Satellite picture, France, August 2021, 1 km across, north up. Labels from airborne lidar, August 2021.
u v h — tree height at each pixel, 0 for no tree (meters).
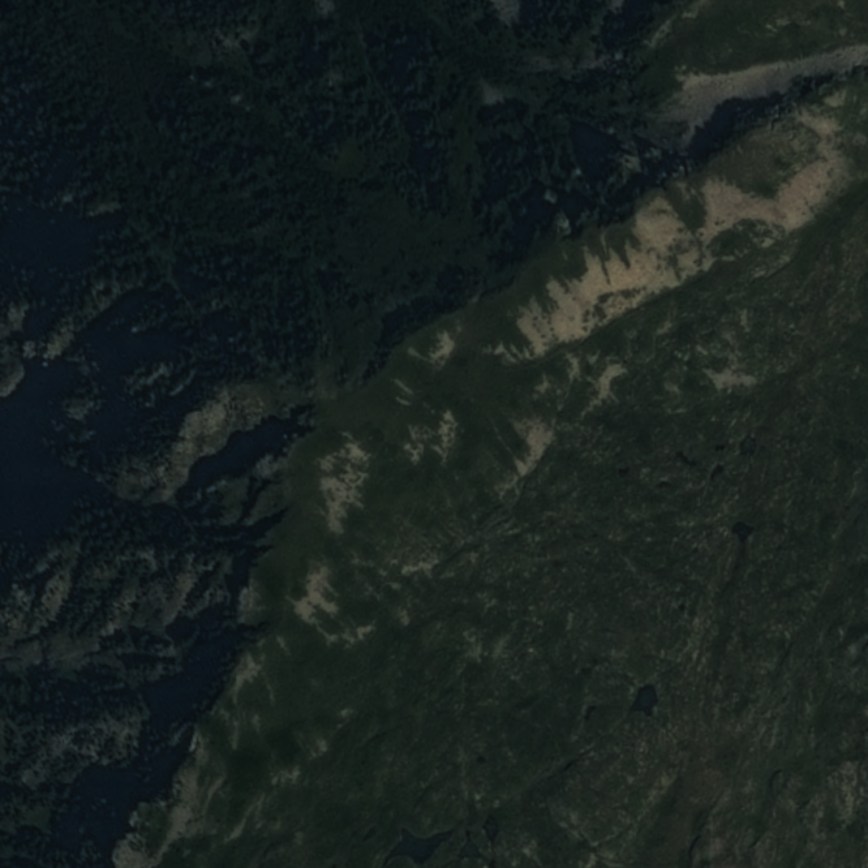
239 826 0
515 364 0
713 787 0
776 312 0
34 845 14
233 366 11
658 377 0
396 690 0
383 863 0
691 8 0
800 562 0
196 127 11
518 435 0
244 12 10
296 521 0
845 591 0
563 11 13
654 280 0
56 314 12
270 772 0
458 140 12
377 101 6
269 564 0
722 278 0
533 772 0
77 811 13
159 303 14
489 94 0
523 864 0
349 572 0
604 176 6
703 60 0
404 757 0
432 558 0
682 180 0
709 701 0
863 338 0
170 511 7
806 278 0
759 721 0
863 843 0
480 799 0
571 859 0
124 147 19
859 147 0
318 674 0
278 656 0
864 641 0
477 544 0
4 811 8
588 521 0
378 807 0
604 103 0
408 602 0
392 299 0
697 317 0
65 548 16
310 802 0
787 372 0
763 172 0
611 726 0
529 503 0
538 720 0
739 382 0
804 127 0
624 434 0
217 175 10
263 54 9
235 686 0
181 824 0
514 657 0
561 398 0
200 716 10
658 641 0
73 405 14
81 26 8
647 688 0
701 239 0
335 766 0
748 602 0
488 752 0
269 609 0
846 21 0
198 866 0
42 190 11
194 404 8
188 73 6
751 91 0
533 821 0
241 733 0
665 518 0
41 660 0
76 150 8
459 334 0
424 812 0
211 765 0
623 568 0
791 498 0
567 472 0
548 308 0
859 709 0
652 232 0
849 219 0
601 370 0
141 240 15
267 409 0
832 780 0
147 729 15
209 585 9
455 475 0
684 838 0
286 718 0
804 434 0
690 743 0
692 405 0
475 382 0
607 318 0
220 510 7
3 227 11
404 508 0
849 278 0
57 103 6
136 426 12
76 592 12
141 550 8
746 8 0
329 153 11
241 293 8
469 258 0
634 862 0
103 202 9
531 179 11
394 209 0
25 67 13
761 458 0
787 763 0
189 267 8
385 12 6
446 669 0
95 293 10
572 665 0
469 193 0
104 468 15
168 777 8
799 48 0
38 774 9
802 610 0
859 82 0
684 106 0
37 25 13
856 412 0
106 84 8
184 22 11
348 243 0
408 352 0
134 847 7
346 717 0
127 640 13
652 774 0
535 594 0
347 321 0
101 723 9
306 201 6
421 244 0
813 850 0
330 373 0
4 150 8
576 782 0
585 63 0
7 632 8
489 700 0
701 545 0
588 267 0
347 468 0
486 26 7
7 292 7
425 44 21
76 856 9
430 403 0
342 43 6
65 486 11
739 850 0
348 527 0
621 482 0
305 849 0
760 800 0
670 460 0
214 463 0
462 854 0
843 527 0
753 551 0
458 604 0
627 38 9
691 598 0
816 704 0
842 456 0
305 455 0
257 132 6
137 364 7
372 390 0
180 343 14
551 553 0
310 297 11
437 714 0
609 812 0
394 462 0
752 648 0
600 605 0
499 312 0
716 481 0
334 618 0
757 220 0
